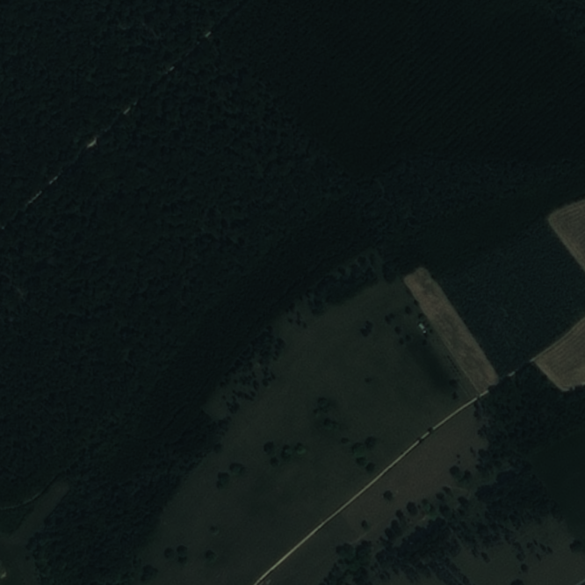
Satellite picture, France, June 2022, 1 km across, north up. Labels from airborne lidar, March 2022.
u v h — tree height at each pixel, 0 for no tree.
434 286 0
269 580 0
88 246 19
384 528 0
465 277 7
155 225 22
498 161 18
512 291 8
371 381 9
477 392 0
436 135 10
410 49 13
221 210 23
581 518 0
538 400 20
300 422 0
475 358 0
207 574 0
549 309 8
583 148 16
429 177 20
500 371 9
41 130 23
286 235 16
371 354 0
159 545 0
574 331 0
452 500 0
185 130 0
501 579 0
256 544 0
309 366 0
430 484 0
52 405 20
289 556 0
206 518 0
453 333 0
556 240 9
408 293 6
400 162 24
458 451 0
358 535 0
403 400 0
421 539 22
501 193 15
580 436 0
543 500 14
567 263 9
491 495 18
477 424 0
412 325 0
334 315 0
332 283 19
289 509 0
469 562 0
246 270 20
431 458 0
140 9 21
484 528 16
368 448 11
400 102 12
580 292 7
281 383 0
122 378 0
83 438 0
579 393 20
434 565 16
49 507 0
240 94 21
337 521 0
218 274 19
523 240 10
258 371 0
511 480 20
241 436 0
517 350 9
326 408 9
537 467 0
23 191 20
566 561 0
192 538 0
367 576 19
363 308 0
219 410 0
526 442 17
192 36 0
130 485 17
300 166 17
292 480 0
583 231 0
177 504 0
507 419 17
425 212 20
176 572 0
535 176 17
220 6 20
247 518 0
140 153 25
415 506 15
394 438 0
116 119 0
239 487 0
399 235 17
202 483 0
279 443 0
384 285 0
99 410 18
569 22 16
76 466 13
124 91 23
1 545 0
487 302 9
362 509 0
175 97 0
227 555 0
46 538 16
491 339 7
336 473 0
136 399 22
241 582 0
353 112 9
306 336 0
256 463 0
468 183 19
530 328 10
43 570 18
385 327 0
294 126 18
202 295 20
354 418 0
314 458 0
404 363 0
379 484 0
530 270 10
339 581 14
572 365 0
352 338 0
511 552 0
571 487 0
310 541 0
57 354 0
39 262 0
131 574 16
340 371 0
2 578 0
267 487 0
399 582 0
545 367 0
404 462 0
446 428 0
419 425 0
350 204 19
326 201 21
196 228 0
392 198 20
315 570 0
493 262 9
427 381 0
